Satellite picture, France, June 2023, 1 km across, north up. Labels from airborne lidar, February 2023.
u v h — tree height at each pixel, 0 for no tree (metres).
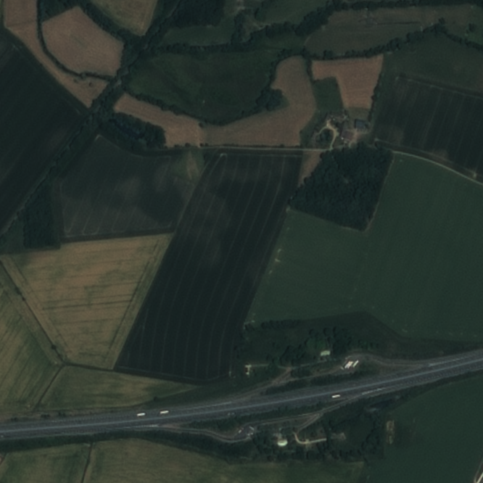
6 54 0
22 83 0
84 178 0
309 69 11
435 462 0
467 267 0
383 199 0
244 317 0
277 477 0
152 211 0
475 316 0
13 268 0
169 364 0
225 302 0
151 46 13
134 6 0
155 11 0
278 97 13
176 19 17
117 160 0
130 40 21
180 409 0
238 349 13
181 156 0
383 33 0
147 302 0
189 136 0
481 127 0
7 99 0
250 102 0
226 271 0
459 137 0
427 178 0
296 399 0
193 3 24
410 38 18
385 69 0
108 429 0
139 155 0
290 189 0
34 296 0
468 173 0
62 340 0
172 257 0
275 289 0
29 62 0
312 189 11
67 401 0
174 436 7
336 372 0
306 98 0
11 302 0
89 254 0
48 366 0
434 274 0
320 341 15
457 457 0
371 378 0
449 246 0
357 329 0
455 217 0
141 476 0
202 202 0
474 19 0
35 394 0
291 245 0
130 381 0
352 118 0
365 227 14
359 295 0
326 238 0
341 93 0
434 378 0
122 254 0
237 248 0
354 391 0
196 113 0
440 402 0
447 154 0
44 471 0
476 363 0
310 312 0
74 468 0
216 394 0
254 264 0
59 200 0
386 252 0
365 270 0
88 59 0
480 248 0
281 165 0
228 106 0
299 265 0
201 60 0
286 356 12
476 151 0
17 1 0
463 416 0
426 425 0
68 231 0
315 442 0
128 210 0
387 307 0
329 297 0
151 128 18
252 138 0
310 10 0
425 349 0
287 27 17
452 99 0
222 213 0
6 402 0
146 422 0
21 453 0
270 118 0
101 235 0
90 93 0
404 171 0
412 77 0
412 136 0
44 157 0
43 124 0
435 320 0
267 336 0
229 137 0
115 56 0
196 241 0
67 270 0
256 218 0
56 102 0
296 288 0
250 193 0
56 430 0
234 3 0
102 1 0
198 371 0
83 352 0
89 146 0
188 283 0
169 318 0
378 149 10
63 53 0
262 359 0
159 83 0
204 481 0
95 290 0
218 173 0
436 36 10
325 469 0
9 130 0
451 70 0
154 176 0
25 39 0
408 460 0
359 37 0
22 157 0
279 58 10
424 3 12
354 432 0
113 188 0
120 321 0
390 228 0
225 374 0
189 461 0
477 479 0
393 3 10
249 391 0
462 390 0
